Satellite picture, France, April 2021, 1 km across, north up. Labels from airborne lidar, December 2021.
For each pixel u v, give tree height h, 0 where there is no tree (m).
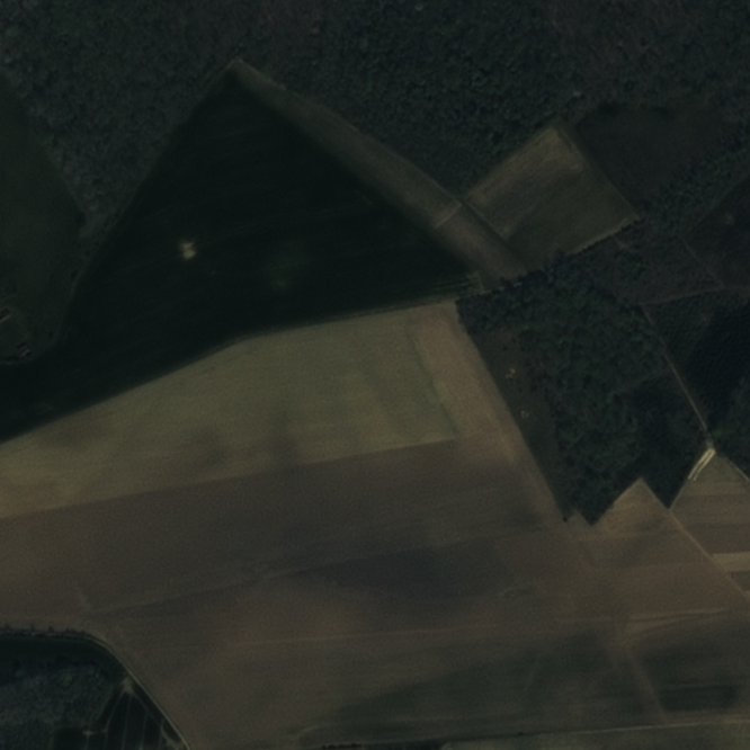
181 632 0
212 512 0
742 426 21
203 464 0
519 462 0
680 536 0
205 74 14
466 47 17
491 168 21
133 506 0
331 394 0
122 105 28
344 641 0
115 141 27
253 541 0
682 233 8
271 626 0
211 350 0
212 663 0
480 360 0
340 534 0
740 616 0
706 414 0
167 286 0
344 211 0
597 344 24
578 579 0
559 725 0
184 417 0
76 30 21
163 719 0
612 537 0
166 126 23
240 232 0
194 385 0
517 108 24
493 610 0
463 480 0
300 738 0
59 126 13
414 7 20
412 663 0
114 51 24
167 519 0
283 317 0
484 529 0
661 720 0
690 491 0
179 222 0
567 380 8
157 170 0
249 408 0
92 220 21
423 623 0
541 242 0
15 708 20
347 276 0
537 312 22
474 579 0
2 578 0
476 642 0
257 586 0
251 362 0
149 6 23
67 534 0
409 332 0
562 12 26
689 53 26
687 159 0
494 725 0
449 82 19
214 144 0
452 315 0
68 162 29
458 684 0
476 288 0
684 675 0
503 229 0
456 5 22
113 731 0
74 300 0
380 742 0
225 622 0
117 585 0
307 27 9
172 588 0
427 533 0
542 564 0
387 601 0
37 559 0
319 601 0
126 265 0
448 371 0
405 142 21
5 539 0
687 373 6
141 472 0
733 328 7
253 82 0
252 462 0
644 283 10
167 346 0
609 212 0
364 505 0
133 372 0
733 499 0
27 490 0
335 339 0
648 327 19
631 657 0
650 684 0
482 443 0
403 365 0
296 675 0
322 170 0
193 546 0
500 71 20
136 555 0
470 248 0
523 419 0
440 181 18
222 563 0
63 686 22
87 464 0
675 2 27
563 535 0
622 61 19
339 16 21
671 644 0
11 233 0
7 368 0
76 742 0
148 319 0
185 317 0
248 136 0
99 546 0
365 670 0
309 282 0
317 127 0
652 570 0
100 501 0
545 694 0
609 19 23
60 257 0
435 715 0
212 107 0
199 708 0
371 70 25
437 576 0
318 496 0
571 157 0
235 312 0
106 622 0
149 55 25
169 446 0
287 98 0
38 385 0
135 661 0
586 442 20
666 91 21
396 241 0
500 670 0
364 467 0
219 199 0
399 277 0
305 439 0
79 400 0
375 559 0
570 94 21
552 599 0
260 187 0
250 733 0
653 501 0
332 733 0
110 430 0
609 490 13
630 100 23
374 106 24
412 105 23
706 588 0
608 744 0
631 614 0
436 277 0
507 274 0
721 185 21
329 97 21
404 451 0
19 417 0
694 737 0
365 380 0
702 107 0
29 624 0
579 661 0
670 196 19
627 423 23
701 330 6
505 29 18
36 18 22
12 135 0
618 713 0
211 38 14
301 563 0
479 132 7
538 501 0
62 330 0
